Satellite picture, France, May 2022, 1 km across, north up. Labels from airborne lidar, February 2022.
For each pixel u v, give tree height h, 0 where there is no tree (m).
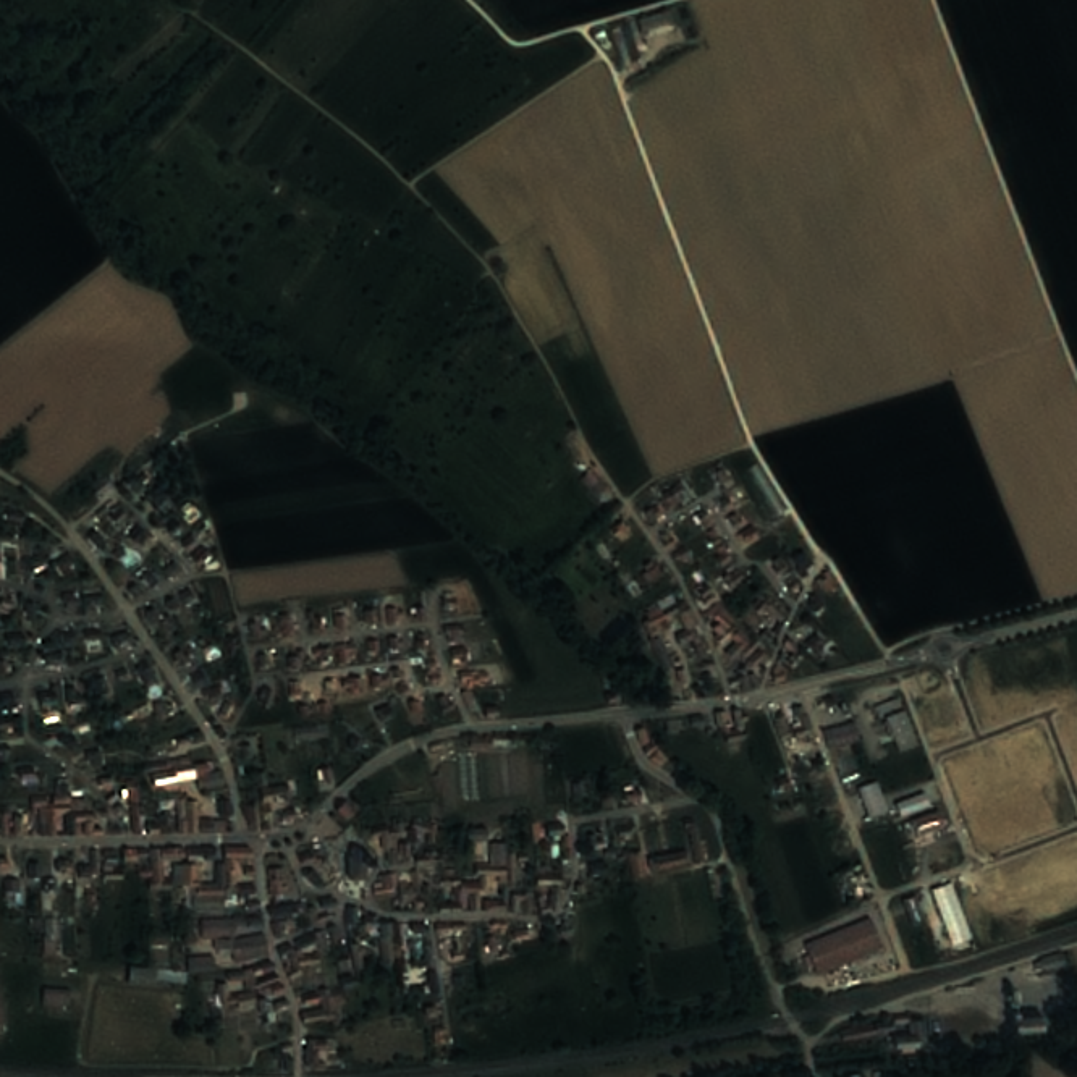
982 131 0
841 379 0
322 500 0
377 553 0
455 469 0
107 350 0
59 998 0
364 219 0
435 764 0
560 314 0
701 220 0
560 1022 0
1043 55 0
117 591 0
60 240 0
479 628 0
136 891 0
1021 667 0
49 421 0
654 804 0
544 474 0
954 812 0
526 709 0
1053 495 0
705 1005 11
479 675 0
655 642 0
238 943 0
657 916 0
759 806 0
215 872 0
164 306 0
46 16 0
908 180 0
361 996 0
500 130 0
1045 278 0
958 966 0
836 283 0
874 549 0
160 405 0
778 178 0
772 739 0
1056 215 0
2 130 0
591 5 0
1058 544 0
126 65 0
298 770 0
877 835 0
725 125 0
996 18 0
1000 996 0
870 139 0
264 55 0
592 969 0
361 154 0
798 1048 11
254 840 0
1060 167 0
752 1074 9
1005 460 0
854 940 0
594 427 0
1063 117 0
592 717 0
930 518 0
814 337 0
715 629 0
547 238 0
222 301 0
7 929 0
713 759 0
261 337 24
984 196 0
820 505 0
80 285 0
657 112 0
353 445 18
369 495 0
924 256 0
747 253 0
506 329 14
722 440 0
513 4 0
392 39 0
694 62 0
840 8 0
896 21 0
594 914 0
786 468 0
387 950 0
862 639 0
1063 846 0
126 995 0
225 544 0
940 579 0
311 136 0
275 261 0
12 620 8
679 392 0
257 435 0
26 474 0
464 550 0
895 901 0
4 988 0
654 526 0
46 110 21
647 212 0
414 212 0
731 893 16
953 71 0
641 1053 0
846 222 0
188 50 0
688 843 0
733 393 0
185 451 12
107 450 0
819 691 0
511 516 0
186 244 0
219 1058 0
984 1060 22
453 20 0
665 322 0
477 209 0
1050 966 0
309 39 0
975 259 0
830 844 0
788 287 0
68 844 0
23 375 0
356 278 0
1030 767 0
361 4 0
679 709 0
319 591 0
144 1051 0
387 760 0
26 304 0
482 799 0
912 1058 0
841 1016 0
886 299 0
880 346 0
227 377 0
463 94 0
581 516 0
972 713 0
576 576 0
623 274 0
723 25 0
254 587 0
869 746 0
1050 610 9
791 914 0
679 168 0
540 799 0
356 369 0
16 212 0
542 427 0
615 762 0
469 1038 0
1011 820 0
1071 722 0
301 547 0
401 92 0
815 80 0
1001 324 0
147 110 7
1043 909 0
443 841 0
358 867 0
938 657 0
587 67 0
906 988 0
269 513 0
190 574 0
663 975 0
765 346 0
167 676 0
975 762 0
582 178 0
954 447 0
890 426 0
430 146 0
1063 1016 28
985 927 0
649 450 0
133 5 0
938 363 0
